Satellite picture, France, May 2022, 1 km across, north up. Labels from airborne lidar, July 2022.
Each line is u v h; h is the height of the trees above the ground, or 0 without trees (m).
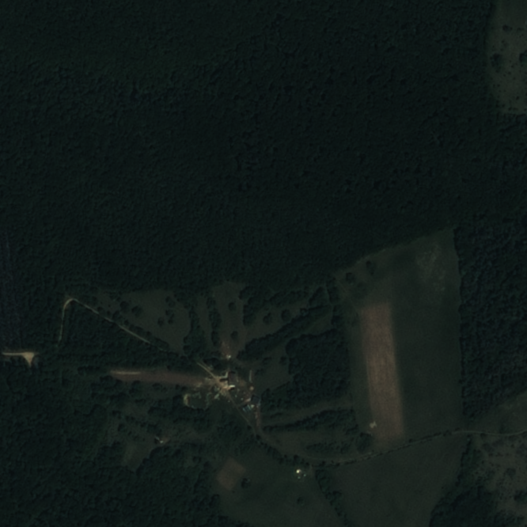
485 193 22
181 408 15
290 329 15
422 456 0
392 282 0
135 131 20
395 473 0
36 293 14
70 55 18
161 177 14
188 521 18
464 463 9
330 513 0
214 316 9
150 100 20
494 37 0
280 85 26
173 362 16
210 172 18
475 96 22
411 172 24
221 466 0
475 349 17
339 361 17
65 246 12
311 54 24
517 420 0
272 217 17
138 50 15
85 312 14
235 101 24
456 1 22
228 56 14
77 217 17
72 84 21
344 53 23
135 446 0
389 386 0
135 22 13
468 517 26
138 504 21
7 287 13
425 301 0
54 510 19
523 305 24
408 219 21
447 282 0
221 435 5
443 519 18
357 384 0
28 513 21
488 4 14
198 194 18
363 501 0
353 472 0
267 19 21
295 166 26
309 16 24
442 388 0
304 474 0
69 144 20
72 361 13
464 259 16
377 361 0
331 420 13
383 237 20
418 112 26
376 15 20
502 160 20
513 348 21
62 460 19
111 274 19
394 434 0
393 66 21
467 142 26
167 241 16
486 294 16
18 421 18
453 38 19
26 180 12
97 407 12
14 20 16
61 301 10
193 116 25
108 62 17
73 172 15
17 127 18
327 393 13
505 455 0
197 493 14
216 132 27
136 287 15
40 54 22
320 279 13
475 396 19
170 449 9
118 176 15
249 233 17
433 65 19
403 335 0
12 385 19
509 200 28
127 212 16
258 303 11
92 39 16
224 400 0
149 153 16
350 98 27
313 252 18
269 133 27
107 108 20
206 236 15
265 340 14
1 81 17
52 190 19
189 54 16
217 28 19
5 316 16
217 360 12
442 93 26
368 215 23
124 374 0
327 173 25
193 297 12
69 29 17
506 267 23
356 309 0
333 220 19
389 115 25
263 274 16
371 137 23
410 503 0
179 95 19
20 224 16
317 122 23
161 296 0
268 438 0
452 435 7
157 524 25
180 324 0
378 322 0
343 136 23
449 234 0
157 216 14
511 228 23
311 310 11
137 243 16
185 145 16
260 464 0
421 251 0
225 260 16
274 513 0
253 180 28
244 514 0
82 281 12
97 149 18
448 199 22
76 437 14
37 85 19
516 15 0
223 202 17
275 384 0
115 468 17
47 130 20
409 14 20
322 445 6
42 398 25
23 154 17
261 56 24
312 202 23
